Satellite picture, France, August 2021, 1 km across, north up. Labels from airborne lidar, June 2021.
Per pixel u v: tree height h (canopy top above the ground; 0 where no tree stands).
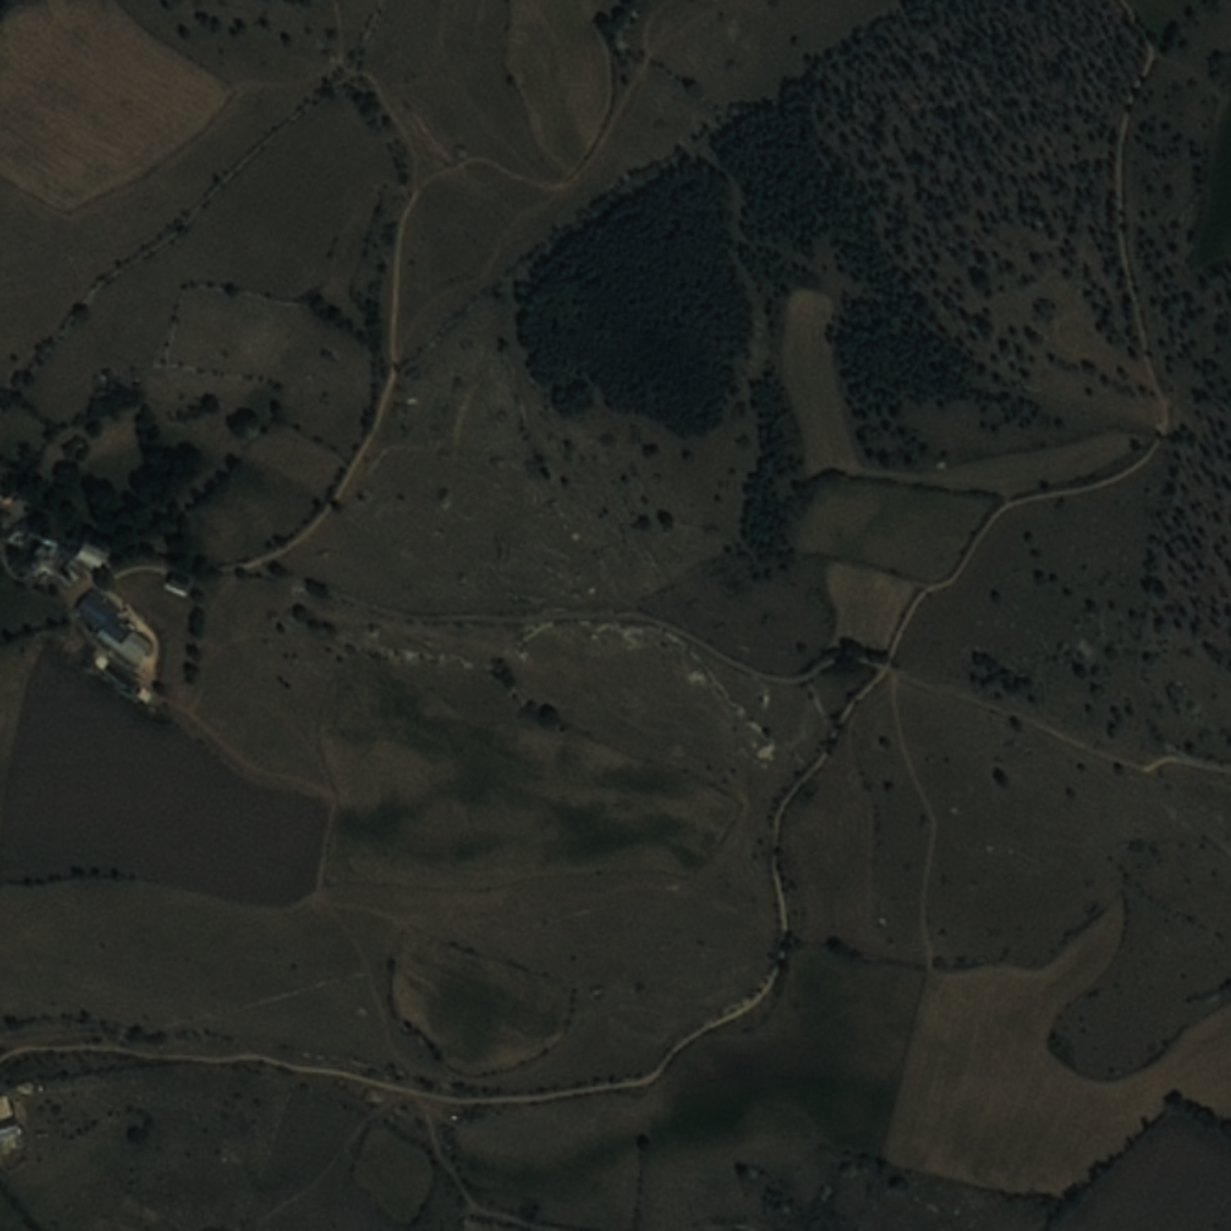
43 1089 0
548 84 0
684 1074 0
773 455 12
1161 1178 0
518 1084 0
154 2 0
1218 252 0
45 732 0
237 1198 0
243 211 0
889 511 0
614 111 0
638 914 0
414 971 0
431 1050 8
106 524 16
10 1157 0
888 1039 0
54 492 15
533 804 0
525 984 0
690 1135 0
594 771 0
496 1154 0
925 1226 0
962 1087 0
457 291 0
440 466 0
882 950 0
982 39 11
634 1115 0
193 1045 0
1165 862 0
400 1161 0
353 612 0
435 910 0
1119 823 0
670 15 0
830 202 12
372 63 0
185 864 0
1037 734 0
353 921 0
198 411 7
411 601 0
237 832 0
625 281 14
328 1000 0
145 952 0
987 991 0
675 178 11
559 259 8
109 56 0
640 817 0
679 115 0
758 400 9
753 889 0
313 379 0
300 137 0
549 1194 0
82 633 0
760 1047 0
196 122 0
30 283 0
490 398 0
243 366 0
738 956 0
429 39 0
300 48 0
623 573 0
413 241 0
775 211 15
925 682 0
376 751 0
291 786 0
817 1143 0
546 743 0
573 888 0
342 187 0
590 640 0
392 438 0
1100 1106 0
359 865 0
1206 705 0
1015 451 0
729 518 0
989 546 0
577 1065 0
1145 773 0
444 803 0
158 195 0
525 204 0
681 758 0
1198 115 0
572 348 14
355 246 0
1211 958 0
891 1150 0
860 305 10
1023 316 0
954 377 11
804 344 0
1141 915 0
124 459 0
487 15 0
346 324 10
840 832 0
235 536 0
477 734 0
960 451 0
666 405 11
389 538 0
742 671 0
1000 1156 0
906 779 0
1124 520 0
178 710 0
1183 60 0
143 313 0
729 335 8
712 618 0
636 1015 0
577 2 0
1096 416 0
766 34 0
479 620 0
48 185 0
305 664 0
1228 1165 0
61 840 0
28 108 0
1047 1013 0
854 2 0
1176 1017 0
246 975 0
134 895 0
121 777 0
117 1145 0
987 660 9
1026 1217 0
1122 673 0
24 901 0
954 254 9
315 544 0
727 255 13
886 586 0
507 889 0
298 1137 0
